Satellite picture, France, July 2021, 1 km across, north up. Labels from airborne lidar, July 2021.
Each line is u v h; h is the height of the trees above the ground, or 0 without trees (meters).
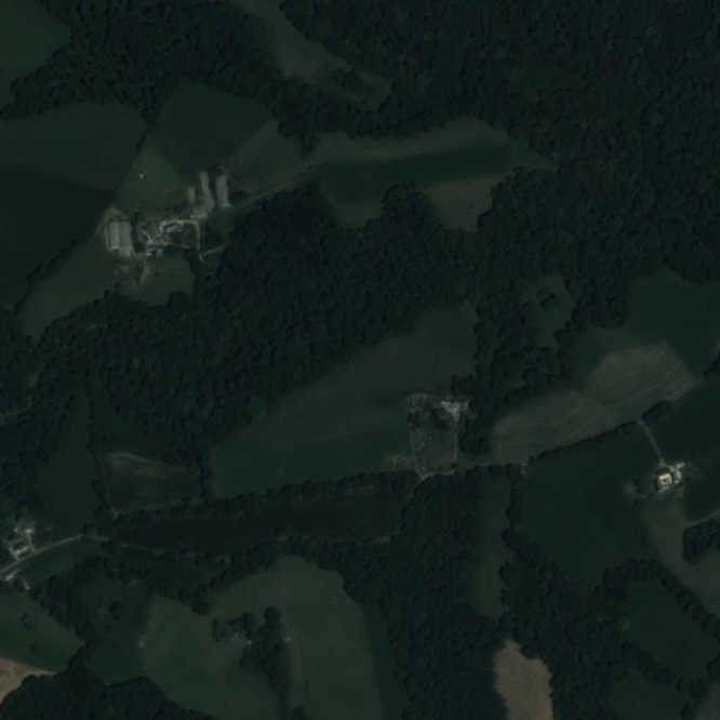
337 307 25
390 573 20
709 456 0
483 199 0
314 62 0
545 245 34
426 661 21
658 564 19
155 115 26
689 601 24
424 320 0
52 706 19
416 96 31
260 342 22
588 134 7
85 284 0
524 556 24
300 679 0
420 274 32
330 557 25
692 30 17
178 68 25
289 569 0
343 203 0
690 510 0
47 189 0
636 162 21
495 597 0
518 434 0
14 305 0
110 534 8
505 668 0
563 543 0
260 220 24
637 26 24
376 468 0
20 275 0
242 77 25
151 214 0
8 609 0
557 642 21
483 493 23
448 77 31
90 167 0
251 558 20
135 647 0
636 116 27
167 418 26
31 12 0
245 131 0
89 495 0
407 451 0
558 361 21
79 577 16
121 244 0
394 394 0
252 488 0
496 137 0
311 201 27
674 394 0
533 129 15
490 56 25
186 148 0
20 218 0
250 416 29
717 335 0
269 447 0
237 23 30
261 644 6
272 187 0
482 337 18
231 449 0
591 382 0
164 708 25
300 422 0
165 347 24
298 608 0
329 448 0
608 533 0
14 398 24
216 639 7
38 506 24
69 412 9
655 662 18
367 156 0
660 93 23
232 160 0
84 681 24
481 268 25
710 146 21
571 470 0
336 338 26
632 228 27
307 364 24
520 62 24
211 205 0
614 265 25
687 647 0
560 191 21
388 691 0
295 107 35
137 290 0
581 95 18
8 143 0
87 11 27
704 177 21
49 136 0
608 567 0
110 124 0
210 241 9
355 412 0
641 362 0
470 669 26
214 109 0
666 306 0
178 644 0
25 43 0
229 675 0
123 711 10
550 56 22
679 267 28
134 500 0
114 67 8
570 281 14
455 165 0
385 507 0
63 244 0
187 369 18
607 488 0
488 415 25
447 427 10
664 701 0
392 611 17
